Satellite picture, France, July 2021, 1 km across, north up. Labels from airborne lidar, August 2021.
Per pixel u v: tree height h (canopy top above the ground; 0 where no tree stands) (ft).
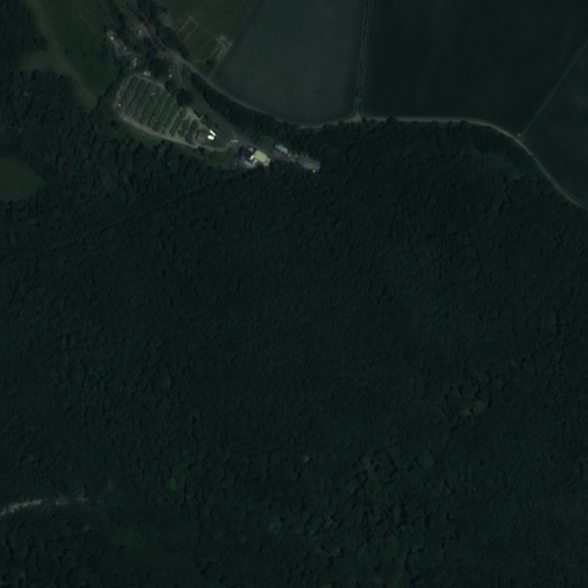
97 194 40
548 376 69
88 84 0
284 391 63
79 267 54
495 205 98
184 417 88
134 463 65
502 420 75
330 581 98
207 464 94
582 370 86
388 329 66
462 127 55
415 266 40
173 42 72
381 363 52
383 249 63
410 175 98
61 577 90
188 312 88
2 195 0
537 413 63
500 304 77
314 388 75
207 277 103
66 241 47
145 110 18
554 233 87
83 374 76
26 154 34
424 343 33
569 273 80
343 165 92
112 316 75
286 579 58
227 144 0
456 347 33
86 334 73
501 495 24
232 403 72
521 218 83
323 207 83
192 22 0
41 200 32
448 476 140
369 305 58
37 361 54
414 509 113
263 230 73
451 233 64
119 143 62
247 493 90
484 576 111
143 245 73
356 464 38
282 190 86
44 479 33
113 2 40
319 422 41
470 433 100
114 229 58
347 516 135
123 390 89
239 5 0
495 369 94
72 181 45
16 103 89
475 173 93
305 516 109
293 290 67
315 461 93
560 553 28
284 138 70
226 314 71
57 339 38
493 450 86
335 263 71
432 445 109
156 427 87
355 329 72
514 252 66
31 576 104
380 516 133
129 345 58
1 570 119
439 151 37
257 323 54
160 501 80
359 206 94
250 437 48
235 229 90
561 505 19
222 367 85
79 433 30
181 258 85
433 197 64
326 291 66
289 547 68
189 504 91
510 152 63
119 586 86
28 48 91
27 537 117
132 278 70
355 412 49
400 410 64
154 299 96
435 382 76
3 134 81
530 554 52
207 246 93
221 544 22
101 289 78
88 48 0
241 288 70
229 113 68
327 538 43
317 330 67
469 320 56
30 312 41
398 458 112
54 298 84
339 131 70
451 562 111
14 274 65
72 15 0
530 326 105
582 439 49
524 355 114
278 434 48
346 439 46
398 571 120
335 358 70
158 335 93
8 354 28
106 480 32
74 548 82
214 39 0
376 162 86
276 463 97
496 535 20
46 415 31
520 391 81
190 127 21
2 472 37
